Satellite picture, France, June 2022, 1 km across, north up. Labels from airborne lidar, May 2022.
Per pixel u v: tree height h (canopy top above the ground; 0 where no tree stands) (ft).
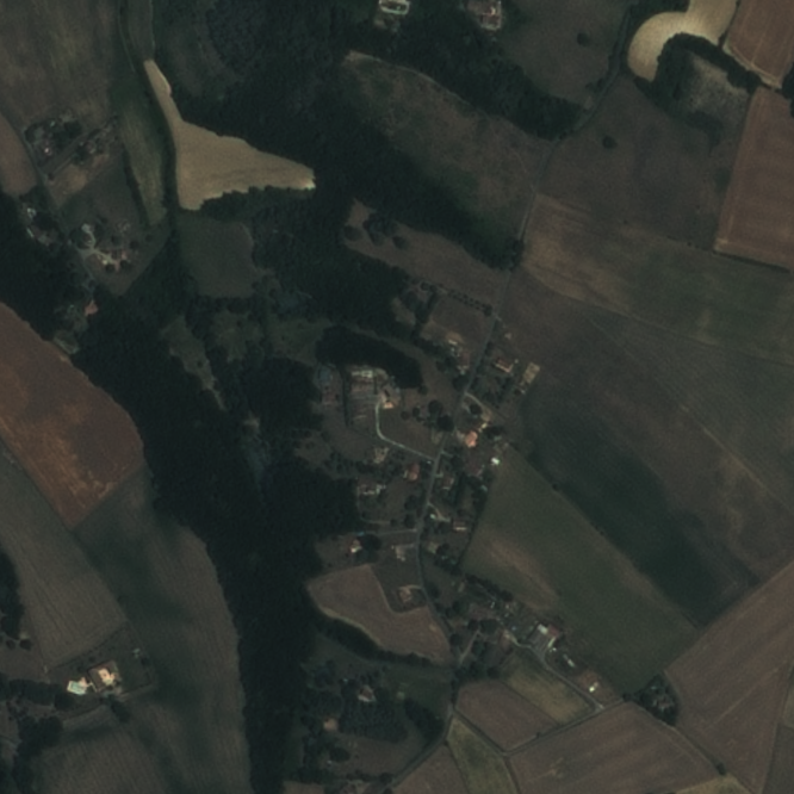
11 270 61
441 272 0
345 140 42
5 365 0
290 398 80
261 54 61
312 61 46
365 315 49
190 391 56
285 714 65
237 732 0
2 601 51
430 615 0
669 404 0
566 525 0
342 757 55
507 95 78
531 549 0
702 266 0
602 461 0
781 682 0
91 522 0
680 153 0
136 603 0
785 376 0
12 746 0
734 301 0
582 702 0
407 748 0
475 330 0
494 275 0
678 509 0
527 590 0
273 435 20
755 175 0
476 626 37
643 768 0
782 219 0
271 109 48
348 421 27
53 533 0
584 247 0
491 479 20
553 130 33
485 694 0
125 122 0
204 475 73
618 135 0
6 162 0
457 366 32
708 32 0
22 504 0
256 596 66
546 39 0
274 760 58
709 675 0
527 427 0
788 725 0
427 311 43
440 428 25
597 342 0
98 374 55
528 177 0
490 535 0
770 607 0
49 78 0
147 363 64
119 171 0
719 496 0
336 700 47
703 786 0
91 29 0
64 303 25
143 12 0
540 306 0
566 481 0
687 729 0
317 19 75
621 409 0
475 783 0
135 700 0
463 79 58
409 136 0
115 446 0
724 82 0
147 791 0
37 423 0
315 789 0
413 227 45
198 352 0
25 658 0
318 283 65
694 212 0
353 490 21
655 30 0
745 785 0
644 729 0
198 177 0
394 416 0
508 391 32
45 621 0
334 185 62
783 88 23
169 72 30
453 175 0
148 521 0
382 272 51
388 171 54
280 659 66
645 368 0
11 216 61
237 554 63
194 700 0
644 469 0
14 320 0
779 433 0
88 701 0
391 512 0
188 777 0
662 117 0
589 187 0
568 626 0
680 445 0
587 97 0
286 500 88
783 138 0
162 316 28
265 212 19
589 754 0
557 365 0
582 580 0
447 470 20
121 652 0
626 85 0
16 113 0
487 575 0
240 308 53
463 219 51
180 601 0
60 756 0
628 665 0
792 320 0
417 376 53
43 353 0
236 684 0
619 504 0
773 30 0
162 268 20
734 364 0
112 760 0
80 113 0
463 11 24
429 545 0
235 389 19
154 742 0
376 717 64
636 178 0
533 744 0
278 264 38
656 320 0
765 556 0
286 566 76
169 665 0
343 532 47
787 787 0
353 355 67
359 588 0
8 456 0
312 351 0
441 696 0
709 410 0
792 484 0
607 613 0
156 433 50
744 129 0
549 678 0
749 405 0
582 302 0
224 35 46
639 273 0
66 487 0
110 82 0
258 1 51
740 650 0
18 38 0
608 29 0
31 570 0
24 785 57
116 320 59
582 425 0
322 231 41
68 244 22
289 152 48
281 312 75
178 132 0
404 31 51
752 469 0
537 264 0
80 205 0
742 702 0
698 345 0
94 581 0
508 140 0
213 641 0
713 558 0
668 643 0
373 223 69
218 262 0
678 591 0
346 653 0
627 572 0
